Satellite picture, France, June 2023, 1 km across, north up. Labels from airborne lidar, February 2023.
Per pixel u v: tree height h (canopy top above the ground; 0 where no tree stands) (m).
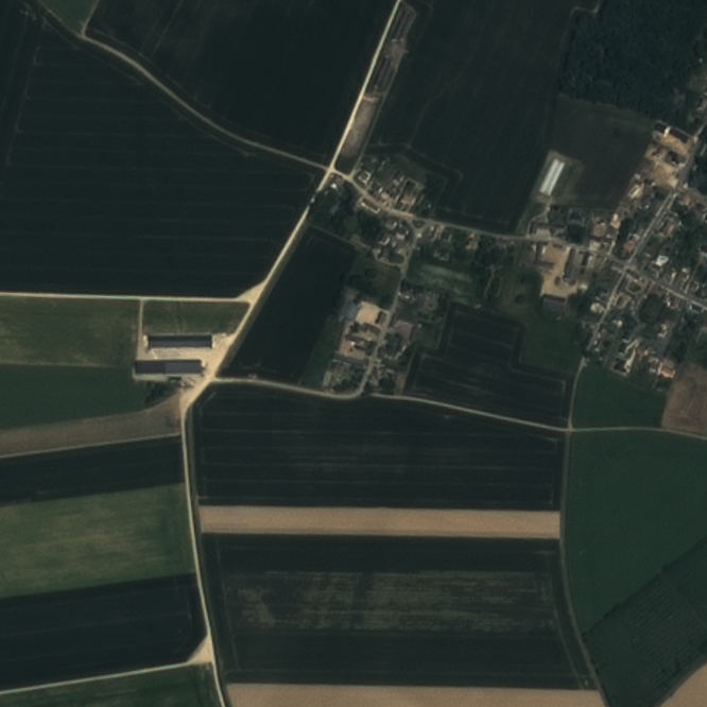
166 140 0
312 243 0
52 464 0
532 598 0
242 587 0
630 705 0
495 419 0
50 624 0
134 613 0
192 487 0
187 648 0
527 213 0
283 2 0
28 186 0
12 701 0
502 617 0
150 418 0
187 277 0
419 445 0
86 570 0
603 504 0
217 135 0
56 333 0
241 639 0
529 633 0
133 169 0
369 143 0
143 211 0
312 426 0
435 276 0
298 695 0
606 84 20
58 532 0
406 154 0
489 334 0
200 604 0
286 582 0
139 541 0
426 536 0
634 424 0
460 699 0
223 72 0
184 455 0
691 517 0
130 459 0
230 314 0
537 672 0
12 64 0
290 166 0
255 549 0
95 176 0
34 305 0
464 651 0
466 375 0
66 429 0
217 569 0
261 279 0
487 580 0
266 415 0
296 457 0
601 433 0
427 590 0
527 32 0
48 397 0
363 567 0
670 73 21
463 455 0
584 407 0
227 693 0
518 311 0
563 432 0
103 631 0
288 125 0
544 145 0
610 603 0
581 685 0
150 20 0
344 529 0
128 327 0
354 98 0
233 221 0
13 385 0
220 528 0
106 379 0
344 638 0
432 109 0
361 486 0
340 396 0
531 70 0
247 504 0
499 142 0
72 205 0
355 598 0
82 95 0
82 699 0
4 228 0
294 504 0
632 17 19
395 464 0
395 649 0
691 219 5
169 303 0
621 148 0
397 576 0
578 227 8
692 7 20
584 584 0
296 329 0
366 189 0
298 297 0
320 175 0
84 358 0
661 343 0
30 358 0
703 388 0
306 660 0
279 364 0
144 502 0
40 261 0
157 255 0
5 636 0
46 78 0
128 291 0
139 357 0
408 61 0
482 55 0
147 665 0
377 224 7
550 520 0
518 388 0
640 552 0
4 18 0
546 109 0
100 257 0
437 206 0
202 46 0
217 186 0
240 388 0
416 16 0
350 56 0
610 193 0
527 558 0
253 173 0
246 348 0
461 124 0
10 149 0
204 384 0
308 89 0
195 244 0
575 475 0
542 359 0
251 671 0
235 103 0
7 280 0
